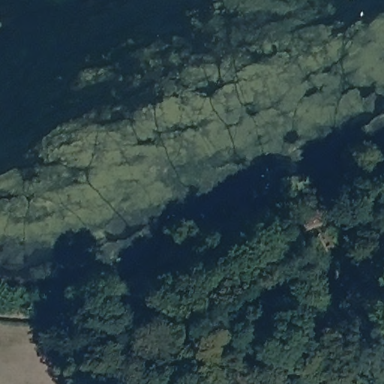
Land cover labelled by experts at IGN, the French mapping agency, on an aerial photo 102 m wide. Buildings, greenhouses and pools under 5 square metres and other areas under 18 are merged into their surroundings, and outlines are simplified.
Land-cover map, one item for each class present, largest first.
<instances>
[{"label":"herbaceous vegetation","instance_id":"1","mask_svg":"<svg viewBox=\"0 0 384 384\"><path fill-rule=\"evenodd\" d=\"M214 4L208 9H192L186 12L187 18L198 30L211 34L210 42H205L210 49L208 54H193L192 45L180 36L172 37L168 43L156 40L148 48L136 51L139 66L144 73L130 75V84L138 87L142 82L153 79L154 93L163 91L162 102L139 106L136 109L123 105H96L82 117L55 127L48 135L43 136L42 141L25 151V159L42 157V166L10 169L0 174V264H21L24 256L30 255L34 250L54 246L63 232L79 229H88L102 246L103 252L97 253V259L103 262L120 261V250L132 246L136 238L150 235L148 219L151 216H160L169 199L186 198L190 186L198 187L202 193H208L228 175L249 168L253 157L261 154L277 153L289 156L292 160H300L301 148L307 141L324 138L331 132V127L342 126L345 121L360 112L373 111L375 100L384 94V13L376 16L372 22H355L345 33H337L336 37L331 36V30L342 27L343 21H336L330 25H315L291 34V28L295 25L334 13L331 0H211ZM271 46H276L277 54L262 63L255 64L250 55H246V49L268 52ZM217 79H222L225 87L217 90L213 96L196 93L195 88L207 87L210 82ZM138 223L142 225L141 231L130 235L127 240H106L105 234L108 232L120 234L126 226ZM103 81H123L121 73L111 72L106 67H97L79 73L78 78L72 82V90H82L88 85ZM322 213L318 210L315 211V217L306 223V229H315L318 232L316 238L321 241L322 249L325 252L330 250L331 253L328 268L330 297L340 295L343 301L349 303L348 309L337 307L334 310H327L324 316H316L313 328L316 342L325 334L334 333L342 322L352 324L355 319L367 318L369 313L376 312V301L384 298V286L379 285V277L372 270L367 271L364 277L357 265L352 262L354 258H351L349 253L354 250L357 243V231L354 228L336 225L334 222H325L321 225ZM264 301L262 316L255 321L253 345L264 346V343L273 340V333L277 328L274 324V315L297 307V297L282 283L265 289L259 295ZM148 297L145 292L127 289L126 294L121 295V303L130 304L133 322L139 327H145L160 313L147 306ZM217 306L214 298H208L207 309L195 310L190 313L189 318H183L186 339L183 343L189 346L192 357L172 361V373L168 384H175L181 376L192 373L193 367L204 366V361L196 358V343L201 342V339H190V327L198 324L201 319L213 321ZM54 367H69L66 355L49 351L45 357H39L36 345L31 342V330L28 325L0 322V384H66L63 375H55ZM73 384H117L115 378L100 381L91 378V372H75Z\"/></svg>","mask_w":384,"mask_h":384},{"label":"deciduous trees","instance_id":"2","mask_svg":"<svg viewBox=\"0 0 384 384\"><path fill-rule=\"evenodd\" d=\"M363 147L367 153L352 151L358 168L351 175L357 181L343 186L339 199L316 196V189H313L309 180L300 181L298 177H291L289 202H277L271 213L267 211L264 214V219L256 223L255 237L247 232L235 235L229 229L222 235L219 232L210 235L205 243L187 258V264L192 267V274L187 276L178 271L172 274H159L157 279L162 286L159 291L148 297L147 306L160 313L145 327H139L133 322L130 304L121 303V295L126 294L127 289L126 283L121 282L117 276L106 277L99 282H88L84 286H67L66 292L58 288L55 279L51 283V289L45 294L0 283V322L28 325L31 330V342L36 345L39 357H45L49 351L66 355L69 367H54L55 375H63L66 384H73L75 372H91V378L100 381L115 378L117 384H168L172 373V361L192 357L189 346L183 343L186 339L183 318H189L190 313L195 310L207 309L208 298H214L217 306L213 321L201 319L198 324L190 327V339H201V342L196 343V358L204 361V366L193 367L192 373L181 376L175 384H384V298L376 301V312L369 313L367 318L355 319L352 324L342 322L334 333L325 334L316 342L313 328L316 316H324L327 310H334L337 307L348 309L349 303L343 301L340 295L330 297L328 268L331 253L330 250L325 252L322 249L321 241L316 238L318 232L315 229H306V223L315 217V211L318 210L322 213L321 225L325 222H334L336 225L354 228L357 231V243L354 250L349 253L351 258H354L352 262L357 265L364 277L367 271L372 270L379 277V285L384 286V156L379 153L376 145L367 141V138L364 139ZM282 283L297 297V307L274 315V324L277 328L273 333V340L264 343V346L253 345L255 321L262 316L264 301L259 295L265 289ZM174 238L175 243H183L187 237L198 234V226L193 220H183L180 228L175 225L163 231Z\"/></svg>","mask_w":384,"mask_h":384},{"label":"water","instance_id":"3","mask_svg":"<svg viewBox=\"0 0 384 384\"><path fill-rule=\"evenodd\" d=\"M214 4L211 0H0V174L10 169L42 166V157L25 159V151L42 141L43 136L48 135L55 127L82 117L96 105H123L136 109L139 106L162 102L163 91L154 93L153 79L142 82L138 87L130 84V75L144 73L139 66L136 51L148 48L156 40L168 43L172 37L180 36L192 45L193 54H208L210 49L205 42H210L211 34L198 30L187 18L186 12L192 9H208ZM97 67H106L111 72L121 73L123 81H103L88 85L82 90H72V82L78 78L79 73ZM334 13L295 25L291 28V34L315 25H330L336 21H343L342 27L331 30V36L336 37L337 33H345L355 22H372L376 16L384 13V0H331ZM277 54L276 46H271L268 52L246 49V55H250L255 64L262 63ZM225 87L222 79H217L210 82L207 87L195 88L196 93L213 96L217 90ZM367 138V141L376 145L379 153L384 156V94L375 100L373 111L360 112L345 121L342 126L331 127V132L324 138L307 141L301 148L300 160H292L289 156L277 153L261 154L253 157L249 168L228 175L208 193H202L198 187L190 186L186 198L169 199L160 216H151L148 219L150 235L136 238L132 246L120 250V261L103 262L97 259V253L103 252L102 246L88 229H79L63 232L54 246L34 250L30 255L24 256L21 264H0V283L45 294L51 289V283L55 279L58 288L66 292L67 286H84L88 282H99L106 277L117 276L121 282L126 283L127 289L145 292L148 297L159 291L162 286L157 279L159 274H172L178 271L187 276L192 274V267L187 264V258L205 243L210 235L219 232L222 235L229 229L235 235L247 232L255 237L256 223L264 219V214L267 211L271 213L277 202H289L291 177H298L300 181L309 180L313 189H316V196L339 199L343 186L357 181L351 175L358 168L352 151L367 153L363 147L364 139ZM183 220H193L198 226V234L187 237L183 243H175L174 238L163 231L175 225L180 228ZM142 225L138 223L126 226L120 234L108 232L105 234L106 240H127L130 235L141 231Z\"/></svg>","mask_w":384,"mask_h":384}]
</instances>
